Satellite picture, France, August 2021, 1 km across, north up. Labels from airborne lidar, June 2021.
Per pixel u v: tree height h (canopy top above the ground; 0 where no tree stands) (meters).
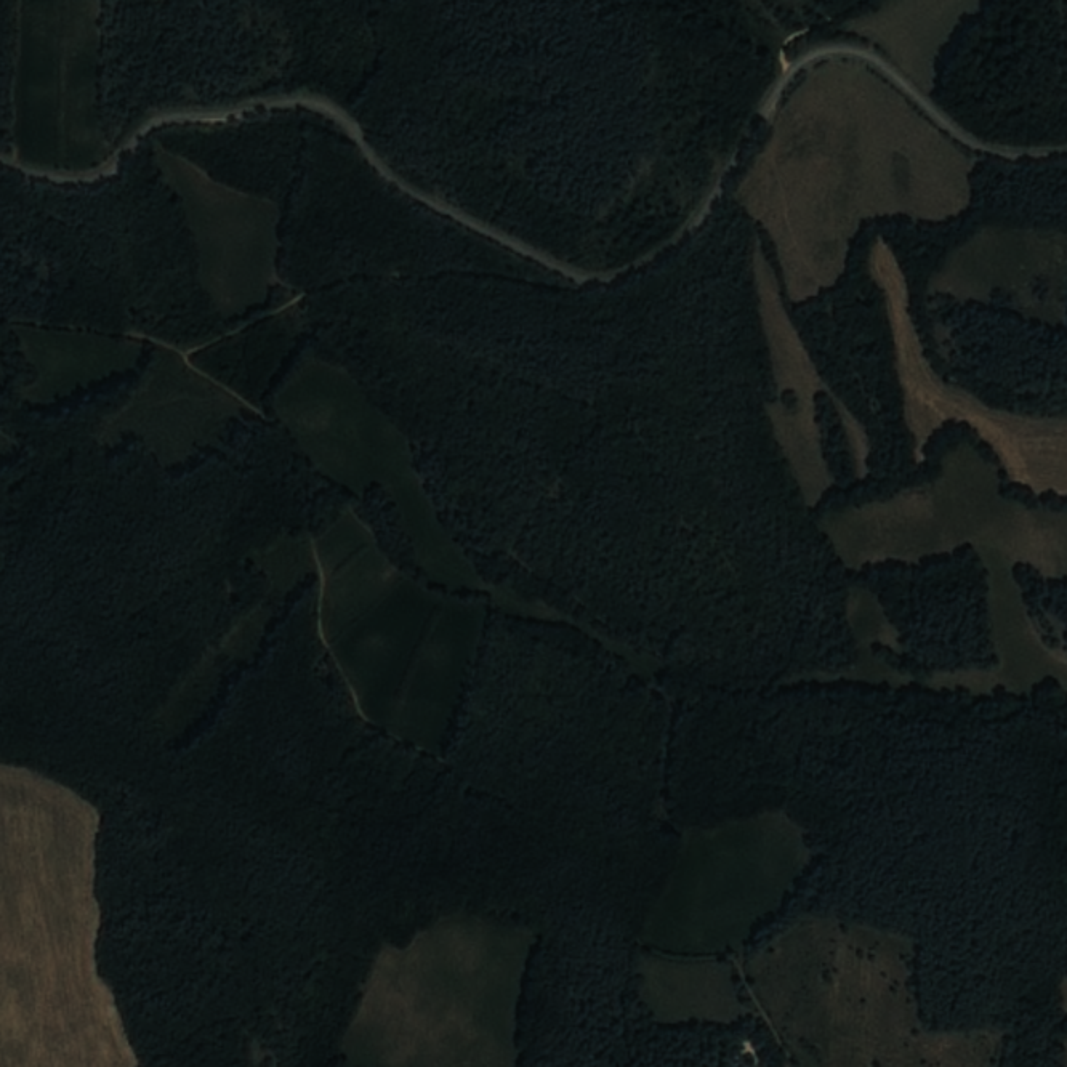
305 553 0
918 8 0
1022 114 12
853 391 11
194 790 15
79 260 16
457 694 0
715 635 13
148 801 11
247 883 15
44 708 18
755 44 14
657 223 17
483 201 9
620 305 19
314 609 16
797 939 0
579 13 19
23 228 16
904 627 12
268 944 12
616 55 18
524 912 21
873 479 12
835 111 0
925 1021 13
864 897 15
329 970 11
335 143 20
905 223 16
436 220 16
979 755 17
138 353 0
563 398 12
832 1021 0
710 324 16
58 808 0
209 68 12
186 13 12
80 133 0
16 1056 0
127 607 9
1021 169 12
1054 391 7
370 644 0
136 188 14
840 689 13
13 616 15
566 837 20
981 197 15
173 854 13
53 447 19
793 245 0
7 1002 0
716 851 0
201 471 19
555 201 12
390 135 12
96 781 10
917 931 10
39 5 0
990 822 12
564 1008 15
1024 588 9
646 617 8
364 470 0
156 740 15
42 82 0
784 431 0
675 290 19
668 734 16
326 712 16
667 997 0
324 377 0
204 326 6
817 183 0
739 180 19
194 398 0
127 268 13
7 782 0
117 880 11
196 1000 12
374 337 16
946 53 0
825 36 11
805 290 0
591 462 13
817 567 14
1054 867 14
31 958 0
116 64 10
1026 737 15
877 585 15
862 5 14
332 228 15
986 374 17
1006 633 0
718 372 18
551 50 14
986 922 16
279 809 19
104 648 15
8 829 0
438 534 0
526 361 17
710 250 15
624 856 19
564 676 12
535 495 11
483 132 6
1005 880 15
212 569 13
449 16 13
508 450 10
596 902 19
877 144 0
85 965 0
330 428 0
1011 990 12
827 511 10
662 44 5
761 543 16
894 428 11
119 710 15
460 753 18
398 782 22
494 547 13
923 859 16
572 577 10
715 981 0
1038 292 9
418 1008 0
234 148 9
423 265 16
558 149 14
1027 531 0
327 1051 15
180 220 15
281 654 19
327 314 10
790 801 18
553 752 18
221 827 13
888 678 0
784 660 18
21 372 21
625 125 18
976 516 0
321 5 6
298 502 20
